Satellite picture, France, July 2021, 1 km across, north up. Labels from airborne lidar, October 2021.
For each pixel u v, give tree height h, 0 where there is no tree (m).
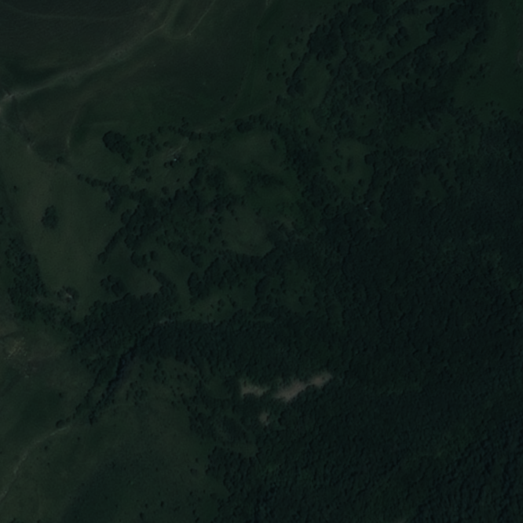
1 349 0
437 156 16
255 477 17
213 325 20
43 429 0
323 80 0
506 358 27
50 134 0
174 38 0
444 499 15
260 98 0
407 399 25
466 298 32
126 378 24
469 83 12
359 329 19
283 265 24
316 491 11
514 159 24
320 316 8
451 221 17
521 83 0
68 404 0
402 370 18
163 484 0
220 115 0
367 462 19
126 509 0
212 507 0
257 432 14
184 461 0
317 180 21
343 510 24
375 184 17
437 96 11
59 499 0
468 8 19
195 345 15
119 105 0
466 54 13
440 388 21
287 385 9
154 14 0
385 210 13
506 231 20
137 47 0
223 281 14
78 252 0
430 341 28
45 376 0
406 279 17
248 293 0
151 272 15
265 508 17
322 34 19
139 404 9
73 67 0
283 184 9
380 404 25
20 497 0
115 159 0
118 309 24
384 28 15
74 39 0
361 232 19
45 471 0
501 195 21
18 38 0
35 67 0
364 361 19
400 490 17
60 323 13
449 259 29
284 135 18
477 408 18
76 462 0
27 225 0
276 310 19
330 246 11
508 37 0
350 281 19
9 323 0
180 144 0
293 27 8
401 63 17
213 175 7
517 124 18
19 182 0
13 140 0
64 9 0
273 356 23
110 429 0
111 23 0
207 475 7
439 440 12
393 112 19
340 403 17
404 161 16
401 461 19
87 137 0
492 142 16
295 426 19
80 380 0
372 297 21
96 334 19
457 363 22
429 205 19
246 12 0
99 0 0
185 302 0
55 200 0
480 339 31
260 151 0
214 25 0
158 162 0
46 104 0
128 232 19
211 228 8
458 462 12
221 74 0
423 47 13
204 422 17
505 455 20
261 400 12
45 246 0
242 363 27
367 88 20
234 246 0
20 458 0
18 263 15
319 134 0
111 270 0
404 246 31
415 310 23
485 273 9
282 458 25
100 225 0
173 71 0
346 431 27
